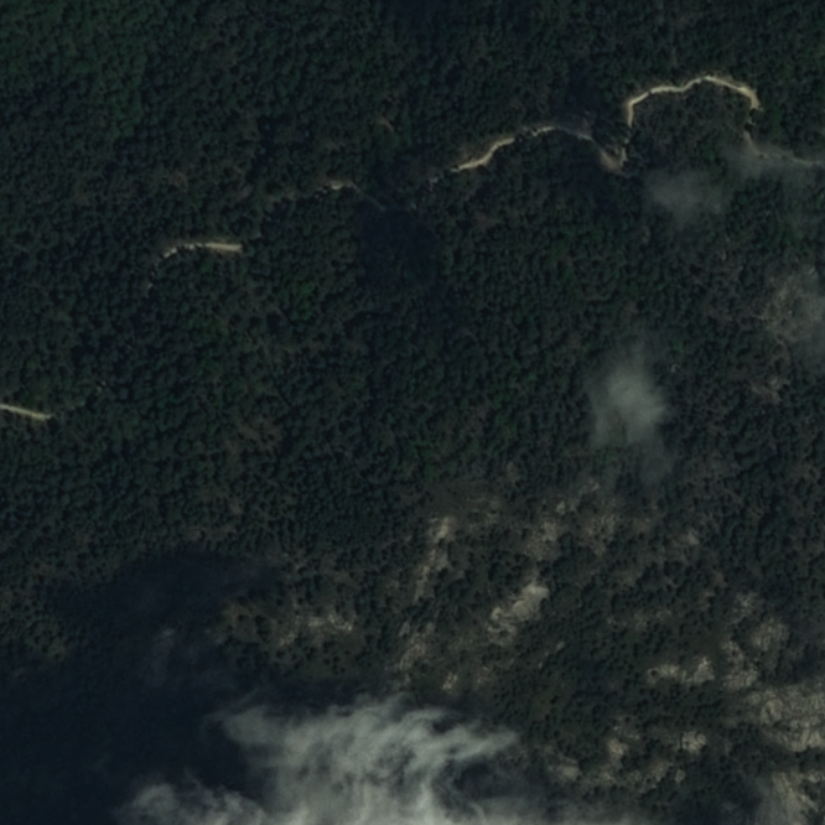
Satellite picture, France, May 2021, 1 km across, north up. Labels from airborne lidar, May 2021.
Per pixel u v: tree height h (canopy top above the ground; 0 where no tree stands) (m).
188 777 0
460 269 20
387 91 30
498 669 8
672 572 21
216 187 30
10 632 18
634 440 26
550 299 18
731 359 28
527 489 17
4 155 24
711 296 27
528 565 20
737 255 13
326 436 8
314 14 9
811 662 13
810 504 17
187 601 15
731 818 0
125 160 27
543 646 9
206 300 13
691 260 32
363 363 25
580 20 19
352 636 0
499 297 28
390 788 14
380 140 28
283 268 24
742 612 0
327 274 25
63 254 33
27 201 15
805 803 0
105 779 26
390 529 17
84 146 11
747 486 26
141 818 10
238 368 24
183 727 15
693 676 0
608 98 22
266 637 19
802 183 17
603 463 14
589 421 25
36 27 17
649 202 35
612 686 0
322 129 25
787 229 17
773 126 21
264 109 39
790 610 16
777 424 16
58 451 22
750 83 15
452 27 20
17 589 19
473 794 0
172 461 18
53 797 25
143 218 24
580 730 19
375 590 18
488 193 10
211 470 12
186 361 28
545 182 27
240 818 0
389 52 27
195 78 24
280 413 32
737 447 26
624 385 15
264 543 20
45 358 30
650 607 6
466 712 7
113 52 14
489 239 19
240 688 11
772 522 25
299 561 10
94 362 31
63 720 19
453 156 27
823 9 21
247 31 37
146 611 0
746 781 26
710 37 12
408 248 28
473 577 21
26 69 17
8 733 24
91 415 24
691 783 19
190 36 23
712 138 14
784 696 0
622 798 21
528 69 28
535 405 15
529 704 7
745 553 22
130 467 25
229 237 25
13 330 29
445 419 26
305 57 25
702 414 14
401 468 10
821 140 19
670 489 30
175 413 27
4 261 18
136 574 13
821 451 19
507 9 6
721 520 14
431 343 33
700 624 14
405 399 20
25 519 23
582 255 22
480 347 33
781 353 11
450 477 15
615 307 23
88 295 21
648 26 19
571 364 16
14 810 26
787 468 26
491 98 26
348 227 24
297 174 38
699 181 24
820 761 18
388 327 29
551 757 10
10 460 25
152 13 12
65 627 18
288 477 23
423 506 9
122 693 12
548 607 15
